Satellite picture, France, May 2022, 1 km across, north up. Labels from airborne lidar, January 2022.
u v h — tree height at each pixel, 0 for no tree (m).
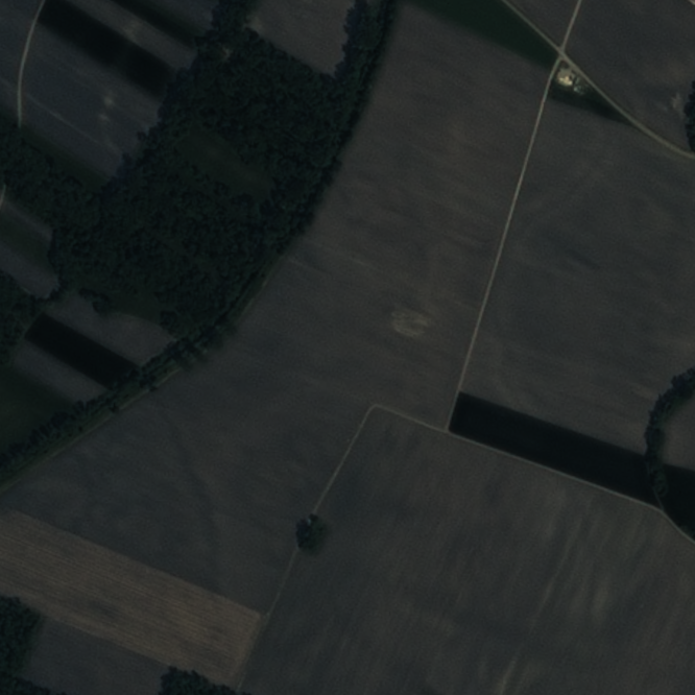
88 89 0
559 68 0
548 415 0
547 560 0
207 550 0
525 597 0
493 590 0
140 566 0
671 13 0
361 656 0
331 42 0
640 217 0
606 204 0
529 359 0
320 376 0
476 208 0
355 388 0
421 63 0
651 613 0
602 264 0
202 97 25
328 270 0
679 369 0
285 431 0
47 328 0
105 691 0
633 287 0
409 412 0
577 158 0
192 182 0
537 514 0
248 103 27
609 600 0
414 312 0
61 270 26
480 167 0
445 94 0
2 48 0
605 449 0
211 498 0
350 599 0
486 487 0
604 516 0
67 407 0
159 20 0
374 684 0
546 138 0
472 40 0
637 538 0
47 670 0
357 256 0
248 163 18
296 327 0
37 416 0
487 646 0
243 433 0
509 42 0
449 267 0
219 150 0
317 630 0
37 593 0
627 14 0
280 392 0
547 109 0
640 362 0
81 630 0
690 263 0
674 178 0
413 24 0
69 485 0
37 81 0
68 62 0
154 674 0
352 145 0
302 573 0
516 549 0
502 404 0
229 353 0
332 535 0
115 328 0
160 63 0
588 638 0
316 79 23
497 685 0
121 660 0
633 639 0
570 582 0
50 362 0
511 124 0
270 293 0
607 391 0
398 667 0
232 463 0
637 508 0
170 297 23
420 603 0
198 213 7
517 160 0
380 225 0
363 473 0
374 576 0
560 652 0
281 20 0
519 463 0
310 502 0
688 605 0
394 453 0
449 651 0
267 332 0
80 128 0
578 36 0
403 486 0
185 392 0
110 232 21
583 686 0
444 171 0
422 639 0
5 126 18
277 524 0
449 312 0
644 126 0
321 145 20
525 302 0
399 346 0
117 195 25
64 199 26
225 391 0
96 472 0
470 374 0
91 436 0
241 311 0
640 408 0
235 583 0
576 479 0
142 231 16
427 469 0
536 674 0
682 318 0
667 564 0
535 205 0
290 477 0
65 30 0
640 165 0
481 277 0
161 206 30
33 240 0
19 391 0
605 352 0
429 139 0
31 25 0
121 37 0
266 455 0
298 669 0
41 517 0
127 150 0
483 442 0
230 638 0
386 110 0
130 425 0
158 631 0
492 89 0
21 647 24
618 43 0
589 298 0
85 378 0
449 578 0
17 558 0
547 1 0
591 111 0
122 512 0
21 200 22
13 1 0
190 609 0
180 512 0
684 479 0
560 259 0
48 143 0
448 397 0
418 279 0
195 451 0
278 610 0
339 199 0
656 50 0
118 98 0
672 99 0
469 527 0
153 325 0
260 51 23
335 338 0
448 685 0
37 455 0
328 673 0
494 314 0
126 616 0
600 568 0
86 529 0
